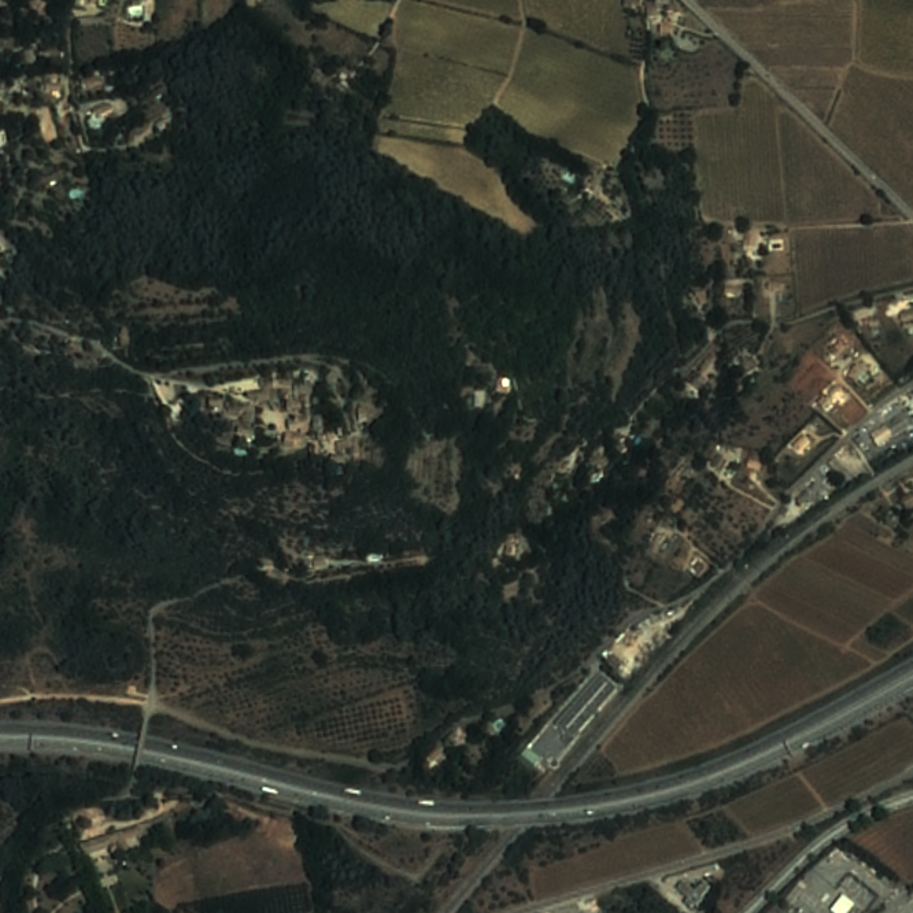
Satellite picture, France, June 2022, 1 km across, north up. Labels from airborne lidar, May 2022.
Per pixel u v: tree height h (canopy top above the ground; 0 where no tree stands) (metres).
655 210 16
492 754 8
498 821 0
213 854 0
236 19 16
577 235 21
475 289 9
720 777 0
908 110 0
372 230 23
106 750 0
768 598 0
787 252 0
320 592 10
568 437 14
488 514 17
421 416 7
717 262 9
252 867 0
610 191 6
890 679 0
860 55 0
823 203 0
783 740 0
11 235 12
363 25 0
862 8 0
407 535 5
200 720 0
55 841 11
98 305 9
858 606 0
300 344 8
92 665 5
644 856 0
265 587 12
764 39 0
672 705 0
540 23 12
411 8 0
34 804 13
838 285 0
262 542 14
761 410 0
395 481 8
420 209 14
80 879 18
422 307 7
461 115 0
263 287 12
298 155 23
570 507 20
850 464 0
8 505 7
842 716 0
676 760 0
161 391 0
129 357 7
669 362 9
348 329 6
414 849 0
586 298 12
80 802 17
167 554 6
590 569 14
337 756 0
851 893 0
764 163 0
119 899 0
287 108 13
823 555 0
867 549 0
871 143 0
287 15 0
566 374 9
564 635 20
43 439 7
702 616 0
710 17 0
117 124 7
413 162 0
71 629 9
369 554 12
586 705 0
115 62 14
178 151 14
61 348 8
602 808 0
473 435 16
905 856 0
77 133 10
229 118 19
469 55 0
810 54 0
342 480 8
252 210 16
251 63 22
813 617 0
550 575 6
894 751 0
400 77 0
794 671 0
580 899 0
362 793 0
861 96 0
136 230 19
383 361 7
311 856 15
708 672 0
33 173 11
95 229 17
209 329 10
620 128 0
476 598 18
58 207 7
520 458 12
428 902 6
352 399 8
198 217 17
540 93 0
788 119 0
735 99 10
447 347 13
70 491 16
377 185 15
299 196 13
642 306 11
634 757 0
